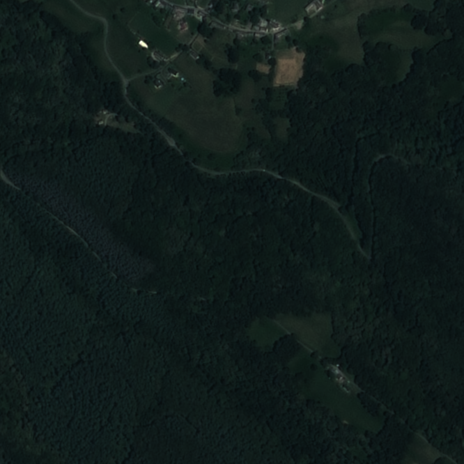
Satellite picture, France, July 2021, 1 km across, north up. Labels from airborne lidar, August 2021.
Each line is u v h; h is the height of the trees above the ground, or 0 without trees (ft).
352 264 104
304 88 54
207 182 84
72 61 73
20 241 85
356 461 69
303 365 0
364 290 80
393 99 80
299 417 78
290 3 0
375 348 80
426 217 68
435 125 34
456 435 86
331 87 98
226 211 21
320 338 0
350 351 92
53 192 71
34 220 80
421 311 72
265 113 37
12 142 61
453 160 79
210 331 87
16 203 88
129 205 72
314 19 0
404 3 0
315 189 38
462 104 55
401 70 0
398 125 107
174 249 65
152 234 106
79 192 63
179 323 77
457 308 86
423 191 67
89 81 86
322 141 73
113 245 83
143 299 78
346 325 78
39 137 69
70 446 87
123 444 87
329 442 82
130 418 101
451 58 103
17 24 81
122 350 70
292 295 87
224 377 69
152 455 72
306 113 97
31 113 92
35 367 78
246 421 67
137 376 74
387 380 88
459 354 63
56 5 0
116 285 84
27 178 66
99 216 65
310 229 67
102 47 0
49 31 70
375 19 0
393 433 67
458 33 74
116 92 77
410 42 0
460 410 68
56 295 84
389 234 81
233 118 0
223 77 74
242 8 19
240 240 101
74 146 68
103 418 85
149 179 90
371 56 88
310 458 29
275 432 76
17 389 75
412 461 0
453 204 73
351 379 0
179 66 0
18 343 86
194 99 0
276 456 81
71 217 63
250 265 93
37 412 93
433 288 72
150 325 81
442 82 109
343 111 76
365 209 91
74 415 86
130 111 61
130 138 73
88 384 101
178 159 78
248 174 44
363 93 79
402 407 90
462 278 72
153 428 88
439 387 61
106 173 83
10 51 56
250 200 83
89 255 70
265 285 72
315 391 0
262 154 56
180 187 97
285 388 74
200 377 82
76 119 71
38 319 82
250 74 46
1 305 85
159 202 77
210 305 68
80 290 71
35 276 94
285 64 0
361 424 0
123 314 81
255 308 85
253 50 0
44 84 65
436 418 79
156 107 0
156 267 56
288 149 35
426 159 91
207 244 99
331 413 57
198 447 69
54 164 70
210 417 73
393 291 113
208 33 54
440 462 53
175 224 90
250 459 80
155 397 92
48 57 75
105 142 74
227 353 75
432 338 74
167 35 0
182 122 0
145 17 0
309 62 56
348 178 94
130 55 0
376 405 63
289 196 64
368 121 93
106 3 0
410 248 70
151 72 0
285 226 87
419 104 77
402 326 63
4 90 85
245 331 52
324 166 65
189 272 62
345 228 63
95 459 89
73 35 68
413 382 64
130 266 72
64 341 90
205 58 43
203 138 0
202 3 0
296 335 30
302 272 94
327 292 67
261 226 96
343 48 0
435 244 79
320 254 71
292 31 0
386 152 66
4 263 79
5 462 45
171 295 54
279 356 73
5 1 74
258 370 68
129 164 69
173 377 60
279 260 59
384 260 75
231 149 0
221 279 80
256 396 77
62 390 91
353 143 73
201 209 82
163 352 56
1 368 84
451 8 74
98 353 87
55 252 82
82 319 89
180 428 86
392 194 68
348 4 0
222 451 73
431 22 55
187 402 62
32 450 74
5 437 64
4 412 81
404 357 60
